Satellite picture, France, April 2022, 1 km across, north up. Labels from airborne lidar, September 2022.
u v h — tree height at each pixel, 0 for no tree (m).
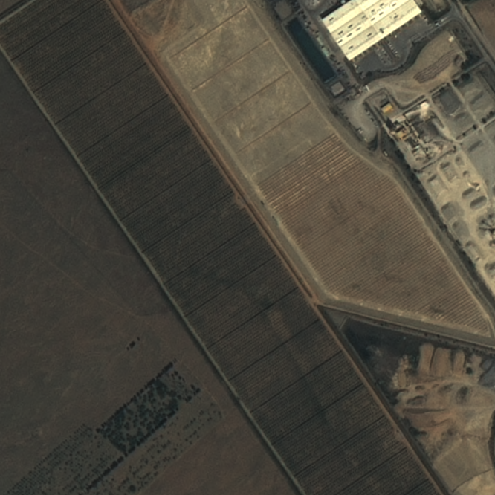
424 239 0
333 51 0
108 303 0
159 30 0
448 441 0
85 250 0
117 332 0
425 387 0
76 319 0
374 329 0
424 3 0
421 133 0
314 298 0
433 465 0
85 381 0
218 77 0
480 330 0
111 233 0
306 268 0
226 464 0
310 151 0
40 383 0
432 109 0
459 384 0
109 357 0
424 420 0
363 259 0
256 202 0
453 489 0
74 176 0
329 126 0
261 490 0
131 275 0
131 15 0
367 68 0
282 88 0
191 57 0
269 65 0
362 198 0
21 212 0
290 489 0
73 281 0
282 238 0
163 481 0
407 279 0
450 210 0
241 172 0
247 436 0
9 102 0
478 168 0
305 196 0
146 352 0
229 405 0
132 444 6
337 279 0
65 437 0
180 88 0
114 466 9
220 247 5
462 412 0
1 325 0
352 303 0
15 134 0
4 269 0
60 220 0
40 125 0
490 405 0
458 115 0
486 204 0
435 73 0
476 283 0
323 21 0
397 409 0
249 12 0
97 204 0
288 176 0
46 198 0
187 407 0
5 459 0
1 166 0
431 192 0
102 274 0
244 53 0
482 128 0
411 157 0
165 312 0
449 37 0
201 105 0
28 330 0
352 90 0
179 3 0
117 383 0
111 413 0
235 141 0
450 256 0
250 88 0
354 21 0
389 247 0
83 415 0
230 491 0
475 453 0
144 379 0
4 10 0
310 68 0
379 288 0
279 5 0
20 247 0
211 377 0
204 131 0
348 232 0
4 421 0
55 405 0
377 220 0
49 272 0
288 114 0
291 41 0
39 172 0
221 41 0
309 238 0
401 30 0
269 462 0
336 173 0
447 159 0
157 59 0
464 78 10
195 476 0
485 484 0
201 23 0
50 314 0
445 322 0
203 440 0
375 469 5
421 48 0
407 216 0
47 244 0
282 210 0
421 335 0
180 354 0
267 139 0
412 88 0
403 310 0
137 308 0
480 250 0
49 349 0
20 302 0
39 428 0
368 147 0
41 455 0
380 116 0
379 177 0
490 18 0
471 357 0
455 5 0
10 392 0
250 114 0
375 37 0
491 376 0
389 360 0
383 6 0
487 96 0
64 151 0
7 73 0
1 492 0
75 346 0
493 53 0
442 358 0
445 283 0
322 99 0
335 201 0
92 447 0
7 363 0
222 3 0
